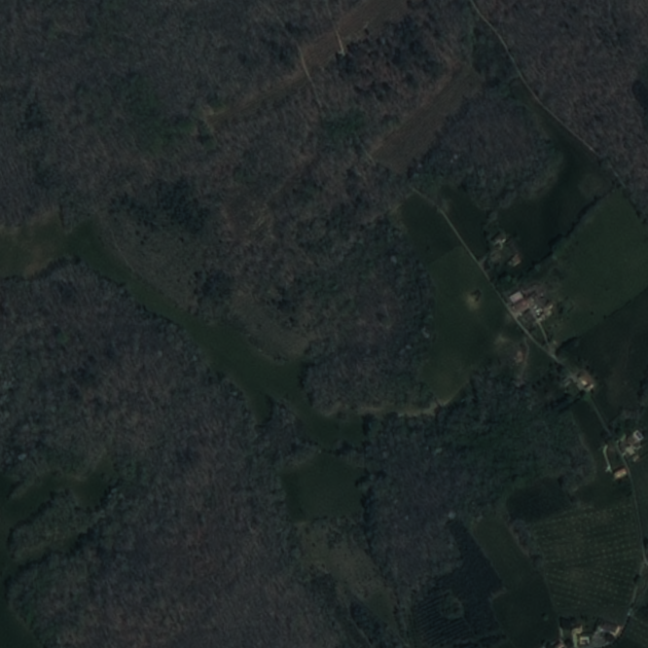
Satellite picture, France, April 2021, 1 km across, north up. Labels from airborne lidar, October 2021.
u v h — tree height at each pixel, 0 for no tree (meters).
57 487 0
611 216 0
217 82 17
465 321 0
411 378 15
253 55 15
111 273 0
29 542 22
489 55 9
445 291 0
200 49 21
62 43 20
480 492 17
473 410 15
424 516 16
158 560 7
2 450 13
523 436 19
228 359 0
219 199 11
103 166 17
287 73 19
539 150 17
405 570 15
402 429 21
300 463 15
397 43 14
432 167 17
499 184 15
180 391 15
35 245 0
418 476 21
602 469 0
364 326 12
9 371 23
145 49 19
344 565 0
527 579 0
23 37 16
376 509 22
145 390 17
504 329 0
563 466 18
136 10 16
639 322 0
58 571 16
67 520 23
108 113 19
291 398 0
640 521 0
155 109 20
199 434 16
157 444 22
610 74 9
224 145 19
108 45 18
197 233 11
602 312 0
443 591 12
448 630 12
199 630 15
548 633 0
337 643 22
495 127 23
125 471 22
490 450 20
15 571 0
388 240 17
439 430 9
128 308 22
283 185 13
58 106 18
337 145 16
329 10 15
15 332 15
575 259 0
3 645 0
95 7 14
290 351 0
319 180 10
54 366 11
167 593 8
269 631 21
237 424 20
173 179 13
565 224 0
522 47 11
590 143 11
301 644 20
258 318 0
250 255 15
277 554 21
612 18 10
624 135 16
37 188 18
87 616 19
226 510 20
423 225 0
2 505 0
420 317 8
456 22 20
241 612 19
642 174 14
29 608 18
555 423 18
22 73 21
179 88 16
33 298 21
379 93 19
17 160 21
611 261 0
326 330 18
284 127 19
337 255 16
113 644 11
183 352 24
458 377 0
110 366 17
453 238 0
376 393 17
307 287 12
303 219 7
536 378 0
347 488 0
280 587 22
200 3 14
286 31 16
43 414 13
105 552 14
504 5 6
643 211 19
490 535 0
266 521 24
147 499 17
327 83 14
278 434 12
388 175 15
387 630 11
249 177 14
